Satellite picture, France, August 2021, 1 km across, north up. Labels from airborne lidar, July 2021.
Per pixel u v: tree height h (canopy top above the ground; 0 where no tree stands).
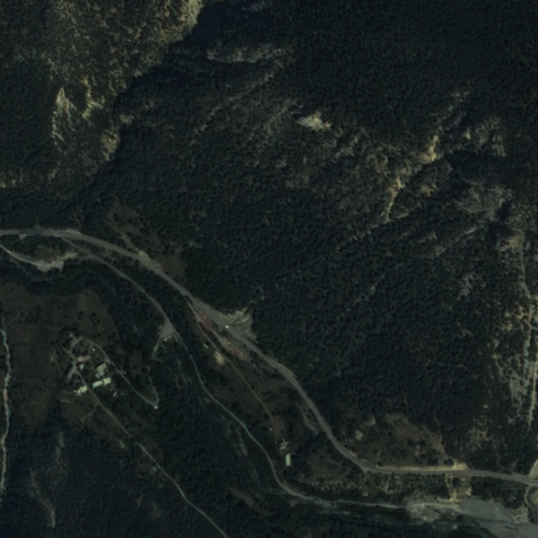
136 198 10
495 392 15
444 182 7
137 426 8
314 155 10
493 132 6
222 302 10
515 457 7
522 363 9
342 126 7
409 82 11
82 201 16
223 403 10
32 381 0
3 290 0
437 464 11
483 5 13
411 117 10
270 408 0
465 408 14
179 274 0
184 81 17
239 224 15
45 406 0
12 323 0
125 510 8
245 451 0
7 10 13
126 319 10
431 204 10
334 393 16
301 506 8
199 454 10
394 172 7
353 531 7
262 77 9
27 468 6
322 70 12
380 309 12
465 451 9
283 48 9
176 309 17
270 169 14
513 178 14
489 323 14
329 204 11
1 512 8
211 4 11
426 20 12
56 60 6
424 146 8
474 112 8
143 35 8
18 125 11
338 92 7
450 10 12
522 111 10
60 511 8
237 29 11
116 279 9
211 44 11
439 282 9
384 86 8
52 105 6
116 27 10
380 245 13
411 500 0
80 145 9
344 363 9
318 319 12
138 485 7
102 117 10
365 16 14
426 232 9
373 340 13
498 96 9
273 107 5
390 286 13
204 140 13
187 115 10
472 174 8
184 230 15
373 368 12
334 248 6
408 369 17
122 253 0
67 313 0
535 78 17
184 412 12
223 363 0
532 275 7
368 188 9
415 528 5
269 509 7
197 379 6
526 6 13
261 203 11
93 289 6
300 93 11
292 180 7
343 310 12
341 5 13
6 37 11
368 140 9
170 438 9
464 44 10
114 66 13
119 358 9
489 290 9
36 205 16
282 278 8
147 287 10
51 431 9
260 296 9
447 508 0
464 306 8
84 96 12
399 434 0
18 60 6
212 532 7
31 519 6
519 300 14
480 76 9
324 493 6
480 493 12
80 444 10
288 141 7
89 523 7
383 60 10
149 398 0
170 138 7
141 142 8
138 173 10
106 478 11
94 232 17
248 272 11
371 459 0
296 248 7
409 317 9
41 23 12
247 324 0
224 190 12
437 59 10
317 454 6
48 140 6
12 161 13
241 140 6
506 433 16
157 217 19
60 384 8
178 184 8
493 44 13
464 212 7
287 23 12
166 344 8
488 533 7
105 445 13
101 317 0
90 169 9
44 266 0
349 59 16
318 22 18
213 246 10
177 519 7
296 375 11
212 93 8
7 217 15
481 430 11
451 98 8
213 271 12
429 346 15
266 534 6
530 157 10
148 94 11
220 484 11
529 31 14
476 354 12
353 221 10
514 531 0
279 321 10
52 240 11
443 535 6
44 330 0
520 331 10
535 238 7
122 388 7
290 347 11
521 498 7
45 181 7
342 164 11
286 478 9
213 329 0
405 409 14
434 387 15
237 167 9
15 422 7
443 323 11
